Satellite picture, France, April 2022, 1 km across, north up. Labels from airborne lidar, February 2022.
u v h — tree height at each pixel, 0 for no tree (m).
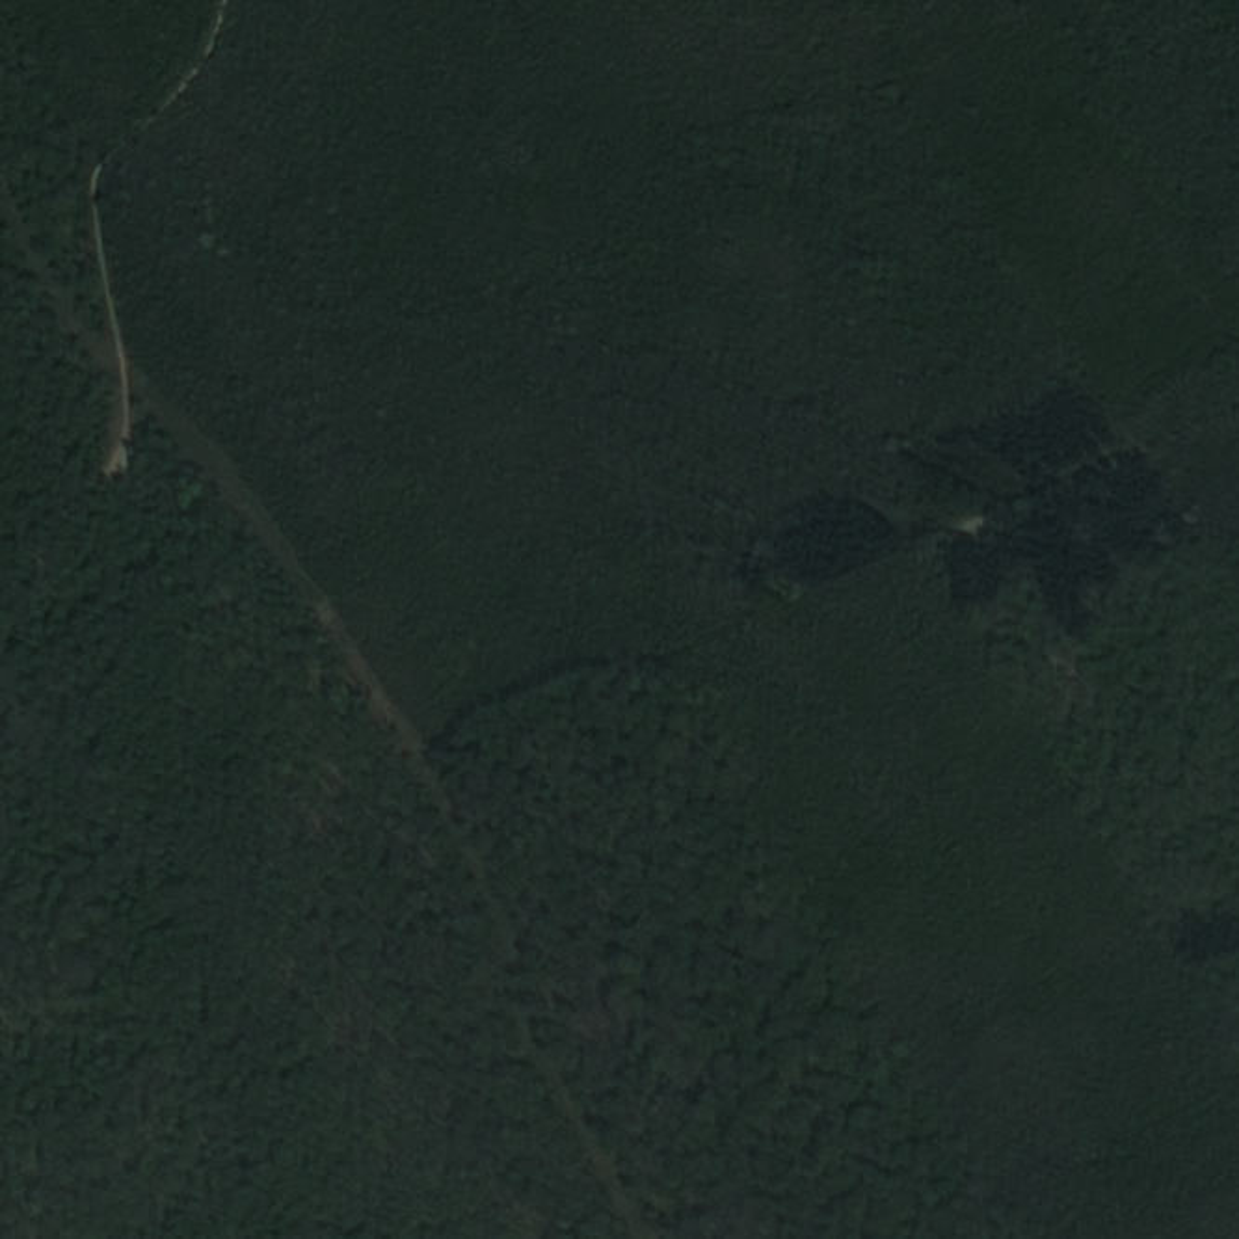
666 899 30
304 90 14
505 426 11
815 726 13
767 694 13
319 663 20
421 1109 27
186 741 21
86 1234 28
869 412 19
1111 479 25
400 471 15
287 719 25
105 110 10
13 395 25
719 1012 32
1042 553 28
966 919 9
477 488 13
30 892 22
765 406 18
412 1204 25
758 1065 30
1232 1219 10
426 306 16
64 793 23
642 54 11
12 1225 29
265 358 13
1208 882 31
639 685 27
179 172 13
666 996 32
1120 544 26
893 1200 31
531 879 28
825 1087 31
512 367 12
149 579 22
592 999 29
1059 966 11
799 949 29
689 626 11
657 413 19
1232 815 28
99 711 26
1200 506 21
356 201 14
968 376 19
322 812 24
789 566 26
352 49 15
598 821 28
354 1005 28
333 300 15
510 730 29
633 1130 28
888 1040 31
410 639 11
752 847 27
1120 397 6
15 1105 19
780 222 17
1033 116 7
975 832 11
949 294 19
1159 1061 12
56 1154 27
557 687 31
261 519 0
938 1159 31
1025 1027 15
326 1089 29
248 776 25
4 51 27
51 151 31
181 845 24
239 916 25
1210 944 28
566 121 16
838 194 21
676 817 28
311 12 12
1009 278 16
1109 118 19
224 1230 23
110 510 18
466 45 15
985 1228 32
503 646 12
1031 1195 15
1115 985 17
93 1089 21
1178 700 20
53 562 23
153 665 20
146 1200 26
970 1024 14
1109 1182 10
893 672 10
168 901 25
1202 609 21
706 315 15
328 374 15
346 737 28
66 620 7
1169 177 17
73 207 26
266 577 21
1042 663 28
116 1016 19
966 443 25
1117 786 26
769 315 17
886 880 12
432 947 28
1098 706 28
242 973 26
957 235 17
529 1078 27
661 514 18
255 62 6
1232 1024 27
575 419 18
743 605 17
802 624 12
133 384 0
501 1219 28
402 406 13
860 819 13
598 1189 23
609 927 30
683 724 33
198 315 9
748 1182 28
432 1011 31
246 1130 29
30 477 24
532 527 14
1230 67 20
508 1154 30
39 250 22
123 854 27
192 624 18
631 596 9
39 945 22
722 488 15
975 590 25
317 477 14
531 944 25
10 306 28
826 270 17
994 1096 18
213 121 14
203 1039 26
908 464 17
